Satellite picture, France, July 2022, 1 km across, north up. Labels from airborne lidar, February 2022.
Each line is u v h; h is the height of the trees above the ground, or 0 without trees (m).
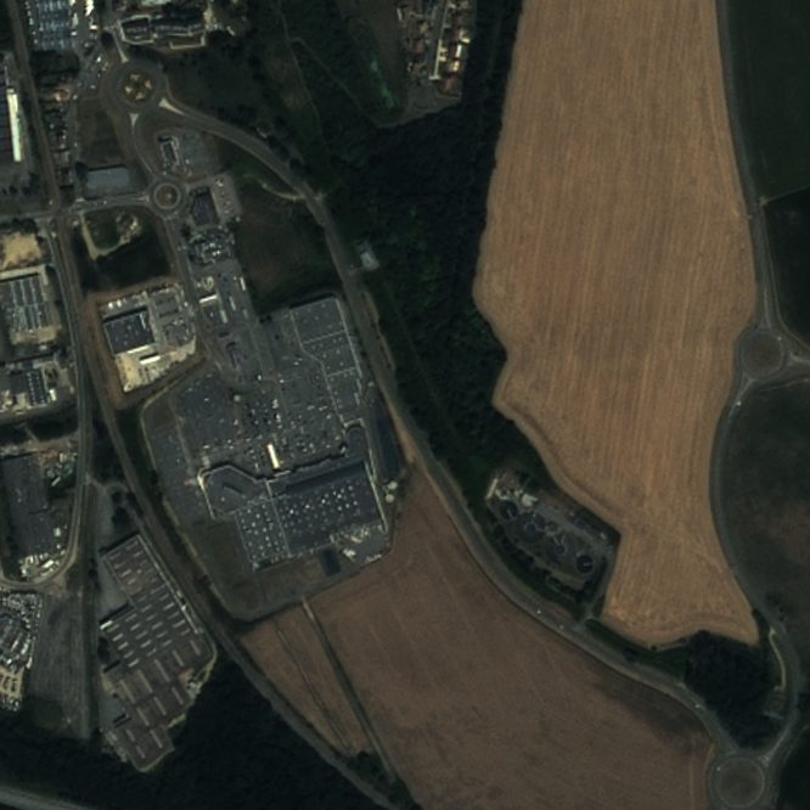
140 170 0
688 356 0
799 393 0
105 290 0
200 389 0
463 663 0
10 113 0
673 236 0
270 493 0
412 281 15
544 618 0
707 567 0
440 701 0
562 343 0
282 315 0
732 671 30
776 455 0
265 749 18
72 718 0
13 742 20
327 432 0
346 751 0
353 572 0
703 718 0
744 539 0
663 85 0
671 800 0
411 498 0
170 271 0
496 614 0
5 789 0
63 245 0
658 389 0
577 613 0
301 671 0
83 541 0
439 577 0
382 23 0
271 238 0
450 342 12
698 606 0
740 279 0
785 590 0
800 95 0
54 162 0
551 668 0
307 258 0
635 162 0
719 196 0
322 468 0
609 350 0
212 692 20
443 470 0
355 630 0
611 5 0
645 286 0
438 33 0
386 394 0
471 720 0
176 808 24
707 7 0
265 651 0
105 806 10
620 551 0
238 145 0
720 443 0
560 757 0
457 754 0
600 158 0
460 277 12
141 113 0
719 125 0
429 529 0
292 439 0
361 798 16
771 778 0
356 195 16
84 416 0
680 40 0
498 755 0
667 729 0
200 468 0
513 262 0
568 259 0
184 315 0
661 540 0
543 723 0
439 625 0
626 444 0
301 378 0
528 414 0
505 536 10
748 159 0
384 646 0
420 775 0
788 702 0
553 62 0
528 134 0
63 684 0
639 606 0
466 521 0
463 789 0
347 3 0
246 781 20
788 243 0
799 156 0
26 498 0
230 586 0
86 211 0
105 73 0
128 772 17
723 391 0
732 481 0
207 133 0
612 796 0
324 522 0
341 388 0
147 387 0
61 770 20
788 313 0
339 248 0
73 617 0
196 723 18
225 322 0
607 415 0
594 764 0
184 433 0
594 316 0
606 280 0
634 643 0
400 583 0
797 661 0
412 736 0
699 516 0
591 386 0
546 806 0
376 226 9
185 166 0
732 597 0
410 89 0
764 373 0
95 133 0
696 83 0
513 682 0
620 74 0
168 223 0
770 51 0
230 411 0
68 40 0
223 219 0
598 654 0
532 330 0
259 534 0
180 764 19
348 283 0
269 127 0
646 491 0
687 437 0
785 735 0
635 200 0
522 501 0
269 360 0
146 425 0
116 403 0
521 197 0
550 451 0
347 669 0
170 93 0
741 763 0
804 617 0
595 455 0
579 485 0
